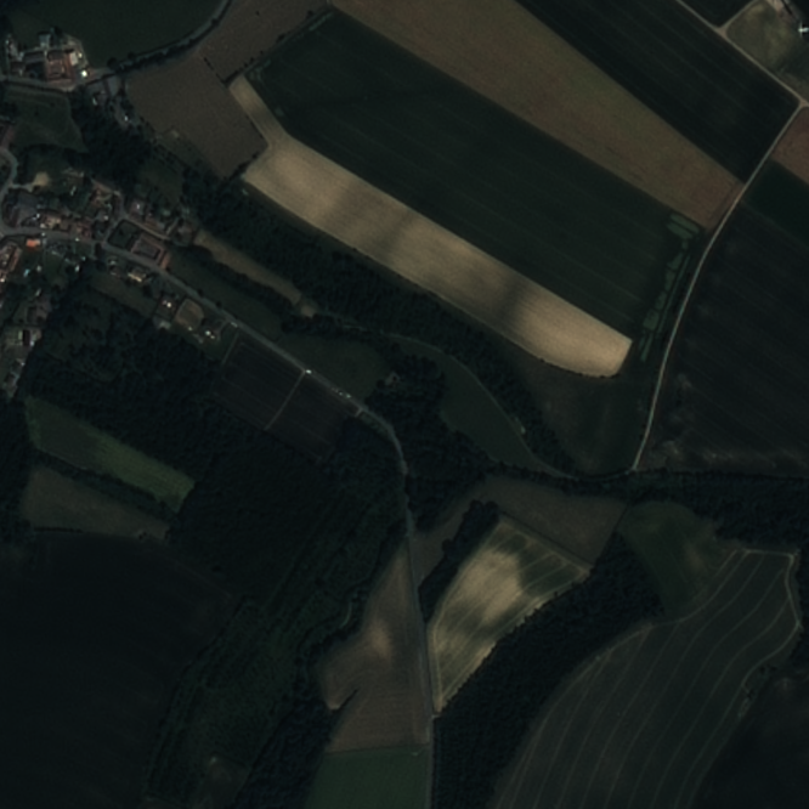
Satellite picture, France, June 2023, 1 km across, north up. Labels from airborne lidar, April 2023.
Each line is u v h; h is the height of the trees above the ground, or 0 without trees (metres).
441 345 7
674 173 0
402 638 0
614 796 0
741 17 0
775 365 0
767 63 0
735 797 0
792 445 0
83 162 16
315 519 13
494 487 0
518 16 0
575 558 0
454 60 0
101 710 0
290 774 8
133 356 11
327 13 0
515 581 0
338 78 0
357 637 0
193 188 8
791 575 0
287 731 16
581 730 0
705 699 0
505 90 0
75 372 6
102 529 0
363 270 12
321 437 0
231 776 0
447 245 0
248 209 5
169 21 0
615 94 0
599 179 0
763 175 0
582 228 0
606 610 16
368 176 0
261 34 0
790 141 0
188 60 0
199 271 0
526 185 0
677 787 0
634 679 0
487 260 0
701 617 0
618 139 0
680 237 0
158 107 0
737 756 0
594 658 0
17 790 0
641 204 0
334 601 6
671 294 0
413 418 5
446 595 0
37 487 0
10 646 0
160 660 0
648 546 0
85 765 0
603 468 0
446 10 0
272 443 18
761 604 0
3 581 0
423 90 0
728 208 0
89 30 0
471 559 0
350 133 0
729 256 0
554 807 0
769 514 19
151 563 0
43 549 0
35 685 0
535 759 0
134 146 6
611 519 0
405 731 0
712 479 14
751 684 0
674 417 0
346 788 0
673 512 0
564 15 0
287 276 12
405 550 0
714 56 0
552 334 0
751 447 0
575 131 0
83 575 0
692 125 0
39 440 0
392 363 7
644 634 0
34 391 11
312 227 0
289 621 6
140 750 0
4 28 16
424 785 0
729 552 0
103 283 0
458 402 0
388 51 0
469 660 0
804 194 0
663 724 0
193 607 0
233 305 0
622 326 0
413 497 22
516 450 0
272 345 0
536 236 0
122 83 0
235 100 0
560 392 0
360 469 9
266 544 18
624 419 0
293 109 0
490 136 0
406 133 0
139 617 0
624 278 0
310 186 0
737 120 0
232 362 0
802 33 0
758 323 0
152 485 0
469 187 0
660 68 0
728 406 0
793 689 0
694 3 0
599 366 0
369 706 0
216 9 0
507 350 0
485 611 0
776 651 0
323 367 0
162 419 12
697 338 0
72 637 0
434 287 0
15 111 13
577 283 0
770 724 0
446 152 0
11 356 0
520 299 0
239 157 0
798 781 0
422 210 0
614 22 0
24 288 7
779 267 0
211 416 11
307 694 15
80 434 0
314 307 0
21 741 0
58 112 0
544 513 0
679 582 0
